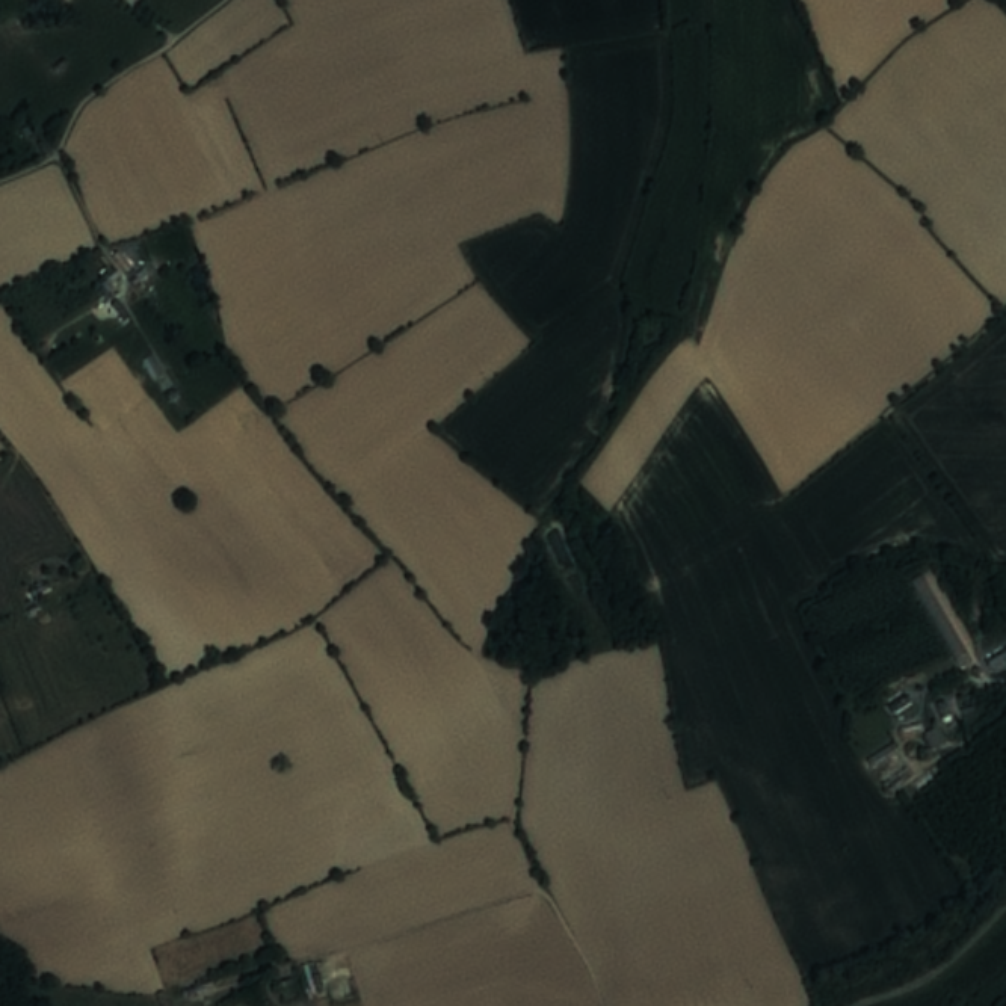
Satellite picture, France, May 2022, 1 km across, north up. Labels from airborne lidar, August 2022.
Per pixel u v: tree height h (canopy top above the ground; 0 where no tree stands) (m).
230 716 0
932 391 0
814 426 0
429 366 0
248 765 0
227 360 15
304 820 0
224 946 0
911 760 0
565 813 0
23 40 0
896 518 0
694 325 0
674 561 0
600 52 0
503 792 0
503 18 0
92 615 0
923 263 0
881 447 0
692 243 0
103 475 0
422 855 0
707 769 0
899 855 0
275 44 0
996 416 0
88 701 0
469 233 0
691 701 0
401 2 0
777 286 0
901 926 0
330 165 13
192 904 0
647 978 0
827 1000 10
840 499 0
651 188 13
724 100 0
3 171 11
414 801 11
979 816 10
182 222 12
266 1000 0
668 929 0
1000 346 0
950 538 0
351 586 7
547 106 0
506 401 0
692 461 0
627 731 0
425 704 0
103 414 0
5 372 0
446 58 0
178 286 0
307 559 0
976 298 0
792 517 0
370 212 0
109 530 0
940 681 10
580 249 0
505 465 0
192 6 0
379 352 13
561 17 0
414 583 10
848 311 0
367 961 0
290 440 14
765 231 0
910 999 0
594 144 0
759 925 0
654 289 0
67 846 0
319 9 0
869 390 0
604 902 0
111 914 0
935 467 0
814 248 0
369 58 0
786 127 0
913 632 12
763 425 0
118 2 10
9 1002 17
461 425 0
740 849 0
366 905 0
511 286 0
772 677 0
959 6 15
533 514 10
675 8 0
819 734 0
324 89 0
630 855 0
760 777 0
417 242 0
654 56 0
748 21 0
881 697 12
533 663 22
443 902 0
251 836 0
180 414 0
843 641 14
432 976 0
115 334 0
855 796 0
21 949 12
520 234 0
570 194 0
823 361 0
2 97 0
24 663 0
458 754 0
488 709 0
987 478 0
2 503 0
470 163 0
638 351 14
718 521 0
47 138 8
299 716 0
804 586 0
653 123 0
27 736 0
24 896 0
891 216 0
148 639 13
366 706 9
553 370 0
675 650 0
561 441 0
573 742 0
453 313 0
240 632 0
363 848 0
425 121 14
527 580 7
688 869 0
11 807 0
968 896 19
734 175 0
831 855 0
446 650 0
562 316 0
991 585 11
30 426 0
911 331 0
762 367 0
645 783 0
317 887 6
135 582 0
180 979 0
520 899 0
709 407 0
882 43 0
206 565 0
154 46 0
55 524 0
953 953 14
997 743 13
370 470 0
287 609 0
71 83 0
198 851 0
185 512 14
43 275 11
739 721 0
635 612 22
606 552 25
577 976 0
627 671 0
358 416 0
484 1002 0
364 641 0
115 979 0
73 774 0
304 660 0
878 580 13
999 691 10
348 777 0
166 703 0
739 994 0
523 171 0
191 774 0
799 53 0
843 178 0
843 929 0
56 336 0
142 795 0
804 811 0
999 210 0
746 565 0
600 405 0
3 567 0
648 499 0
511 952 0
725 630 0
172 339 21
